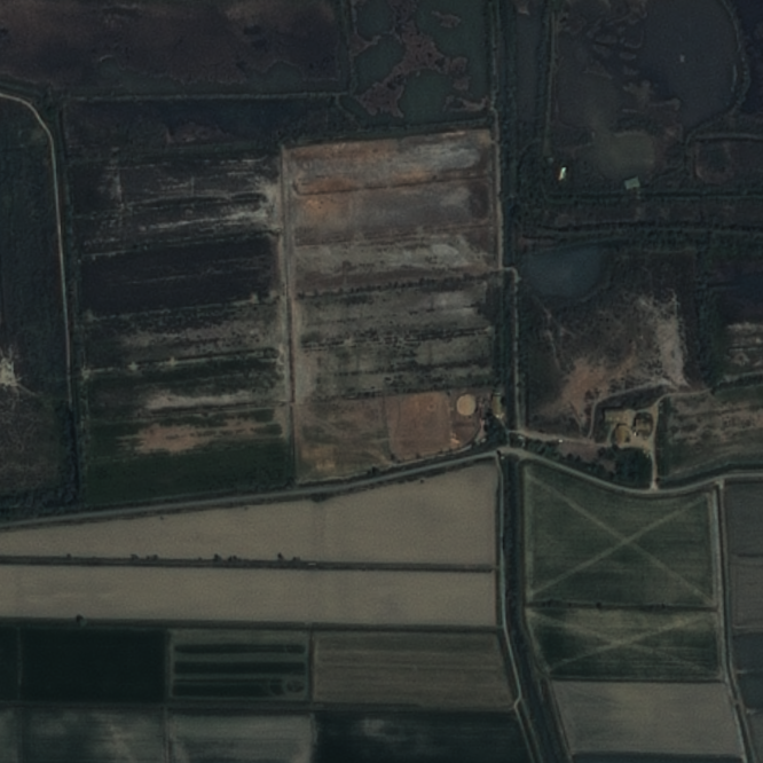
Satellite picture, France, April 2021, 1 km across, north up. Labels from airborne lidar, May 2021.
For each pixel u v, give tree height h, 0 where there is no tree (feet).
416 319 0
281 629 0
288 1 0
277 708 0
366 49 0
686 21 0
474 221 0
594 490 0
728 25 0
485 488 0
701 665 0
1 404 0
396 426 0
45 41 0
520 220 24
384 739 0
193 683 0
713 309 28
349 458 0
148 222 0
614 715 0
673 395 0
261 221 0
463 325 0
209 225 0
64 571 0
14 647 0
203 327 0
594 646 0
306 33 0
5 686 0
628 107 0
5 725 0
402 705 0
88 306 0
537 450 36
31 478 0
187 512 0
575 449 0
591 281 0
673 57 0
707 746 0
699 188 21
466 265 0
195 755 0
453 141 0
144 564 0
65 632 0
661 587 0
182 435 0
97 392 0
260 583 0
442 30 0
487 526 0
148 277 0
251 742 0
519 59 0
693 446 0
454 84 0
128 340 0
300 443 0
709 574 0
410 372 0
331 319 0
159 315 0
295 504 0
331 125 22
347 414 0
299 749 0
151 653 0
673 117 0
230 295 0
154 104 0
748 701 0
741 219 0
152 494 0
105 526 0
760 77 0
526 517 0
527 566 0
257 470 0
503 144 21
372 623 0
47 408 0
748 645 0
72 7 0
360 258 0
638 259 0
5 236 17
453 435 0
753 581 0
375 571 0
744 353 0
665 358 0
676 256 0
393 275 0
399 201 0
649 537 0
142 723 0
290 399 0
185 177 0
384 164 0
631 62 0
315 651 0
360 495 0
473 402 0
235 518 0
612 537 0
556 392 0
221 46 0
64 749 0
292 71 0
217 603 0
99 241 0
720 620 0
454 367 0
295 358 0
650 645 0
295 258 0
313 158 0
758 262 0
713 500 0
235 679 0
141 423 0
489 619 0
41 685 0
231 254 0
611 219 0
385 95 0
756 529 0
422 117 0
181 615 0
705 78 0
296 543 0
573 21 0
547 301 0
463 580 0
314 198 0
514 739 0
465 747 0
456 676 0
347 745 0
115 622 0
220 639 0
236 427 0
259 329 0
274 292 0
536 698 0
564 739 0
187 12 0
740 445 0
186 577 0
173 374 0
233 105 0
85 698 0
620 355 0
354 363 0
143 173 0
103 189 0
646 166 0
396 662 0
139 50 0
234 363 0
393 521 0
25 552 0
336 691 0
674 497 0
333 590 0
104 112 0
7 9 0
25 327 19
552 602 23
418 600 0
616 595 0
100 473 0
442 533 0
